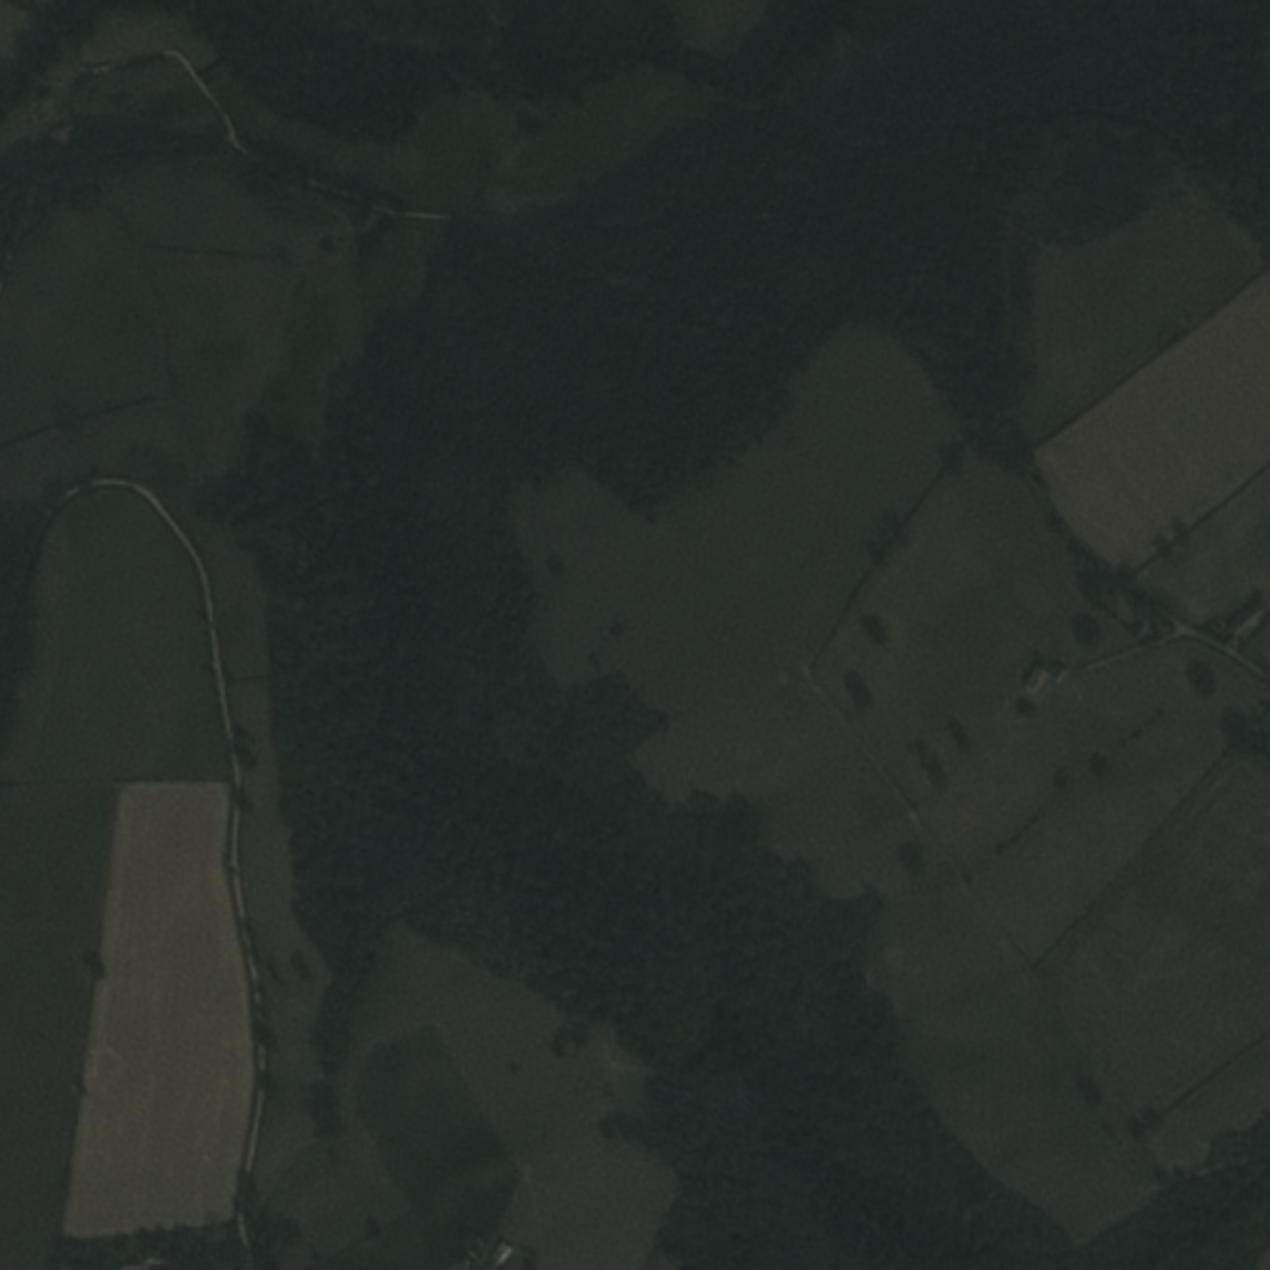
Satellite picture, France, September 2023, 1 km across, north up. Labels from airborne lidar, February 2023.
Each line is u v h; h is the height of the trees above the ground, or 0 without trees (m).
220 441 0
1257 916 0
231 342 0
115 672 0
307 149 0
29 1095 0
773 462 0
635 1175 0
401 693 19
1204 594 0
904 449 0
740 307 20
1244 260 0
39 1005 0
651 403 20
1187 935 0
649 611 0
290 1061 0
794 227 24
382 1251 0
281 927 0
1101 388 0
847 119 21
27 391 0
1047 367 0
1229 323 0
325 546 14
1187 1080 0
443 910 21
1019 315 0
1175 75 19
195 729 0
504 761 12
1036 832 0
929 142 21
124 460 0
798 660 0
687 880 26
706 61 14
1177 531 12
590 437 20
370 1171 0
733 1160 26
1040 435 0
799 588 0
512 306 19
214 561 0
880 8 0
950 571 0
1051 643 0
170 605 0
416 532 20
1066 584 0
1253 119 22
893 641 0
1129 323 0
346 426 20
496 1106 0
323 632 17
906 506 0
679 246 19
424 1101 0
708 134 16
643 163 11
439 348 19
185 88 0
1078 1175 0
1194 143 21
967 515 0
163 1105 0
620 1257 0
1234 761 0
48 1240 0
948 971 0
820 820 0
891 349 0
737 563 0
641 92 0
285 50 19
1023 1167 0
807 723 0
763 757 0
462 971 0
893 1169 16
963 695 0
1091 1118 0
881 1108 17
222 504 23
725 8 0
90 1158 0
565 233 17
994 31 26
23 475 0
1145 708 0
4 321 0
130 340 0
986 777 0
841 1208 9
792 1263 21
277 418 0
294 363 0
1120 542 0
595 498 0
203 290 0
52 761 0
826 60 0
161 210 0
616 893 23
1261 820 0
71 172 13
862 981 6
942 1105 0
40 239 0
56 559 0
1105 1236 6
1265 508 0
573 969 23
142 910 0
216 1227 15
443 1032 0
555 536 0
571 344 20
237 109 0
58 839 0
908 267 26
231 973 0
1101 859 0
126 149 14
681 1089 14
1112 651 0
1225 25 23
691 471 7
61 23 21
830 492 0
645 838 11
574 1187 0
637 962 24
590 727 7
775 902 16
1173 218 0
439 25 19
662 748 0
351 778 15
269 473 17
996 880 0
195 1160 0
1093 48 34
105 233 0
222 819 0
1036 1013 0
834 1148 13
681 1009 17
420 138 0
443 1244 0
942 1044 0
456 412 18
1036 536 0
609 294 20
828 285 20
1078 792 0
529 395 19
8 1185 0
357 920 30
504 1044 0
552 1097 0
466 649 12
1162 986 0
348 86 22
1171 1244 10
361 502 23
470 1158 0
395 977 0
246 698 0
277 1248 10
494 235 19
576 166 0
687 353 22
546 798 22
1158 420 0
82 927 0
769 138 15
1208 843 0
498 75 12
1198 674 17
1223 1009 0
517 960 19
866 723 0
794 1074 18
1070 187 0
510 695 8
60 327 0
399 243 0
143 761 0
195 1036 0
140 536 0
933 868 0
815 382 0
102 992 0
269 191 0
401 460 22
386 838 10
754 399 11
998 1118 0
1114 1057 0
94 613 0
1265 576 0
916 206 16
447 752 22
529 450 17
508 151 0
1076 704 0
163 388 0
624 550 0
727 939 22
